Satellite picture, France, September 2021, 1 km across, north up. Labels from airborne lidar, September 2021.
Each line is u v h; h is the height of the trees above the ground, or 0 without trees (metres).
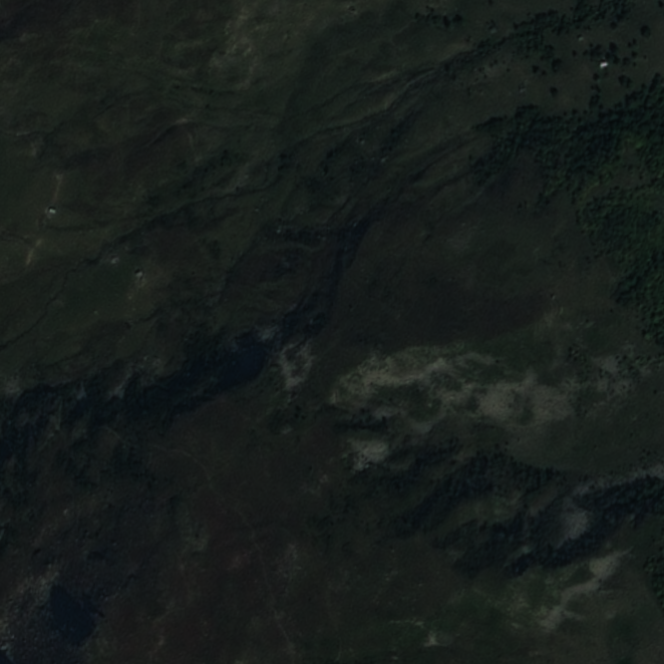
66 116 0
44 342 0
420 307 0
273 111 0
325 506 0
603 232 10
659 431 0
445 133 0
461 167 0
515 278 0
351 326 0
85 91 0
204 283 0
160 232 0
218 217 0
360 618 0
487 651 0
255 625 0
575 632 0
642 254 7
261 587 0
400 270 0
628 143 8
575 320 0
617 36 0
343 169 0
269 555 0
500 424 0
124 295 0
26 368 0
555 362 0
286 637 0
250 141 0
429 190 0
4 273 0
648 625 0
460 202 0
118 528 0
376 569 0
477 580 0
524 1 0
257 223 0
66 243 0
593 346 0
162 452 0
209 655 0
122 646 0
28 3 0
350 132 0
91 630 0
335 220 0
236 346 0
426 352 0
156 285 0
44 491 0
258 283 0
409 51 0
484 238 0
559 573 0
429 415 0
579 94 0
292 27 0
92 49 0
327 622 0
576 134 6
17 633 0
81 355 0
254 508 0
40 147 0
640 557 0
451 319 0
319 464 0
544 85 0
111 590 0
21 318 0
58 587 0
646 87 8
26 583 0
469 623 0
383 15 0
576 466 0
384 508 0
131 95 0
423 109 0
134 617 0
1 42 0
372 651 0
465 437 0
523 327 0
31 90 0
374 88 0
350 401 0
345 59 0
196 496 0
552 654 0
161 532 0
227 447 0
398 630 0
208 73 0
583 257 0
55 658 0
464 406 0
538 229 0
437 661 0
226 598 0
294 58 0
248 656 0
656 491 11
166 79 0
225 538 0
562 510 0
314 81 0
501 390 0
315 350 0
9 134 0
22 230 0
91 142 0
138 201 0
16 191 0
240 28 0
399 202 0
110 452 0
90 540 0
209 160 0
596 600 0
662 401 0
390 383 0
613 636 0
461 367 0
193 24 0
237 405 0
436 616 0
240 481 0
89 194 0
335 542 0
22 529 0
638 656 0
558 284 0
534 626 0
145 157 0
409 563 0
